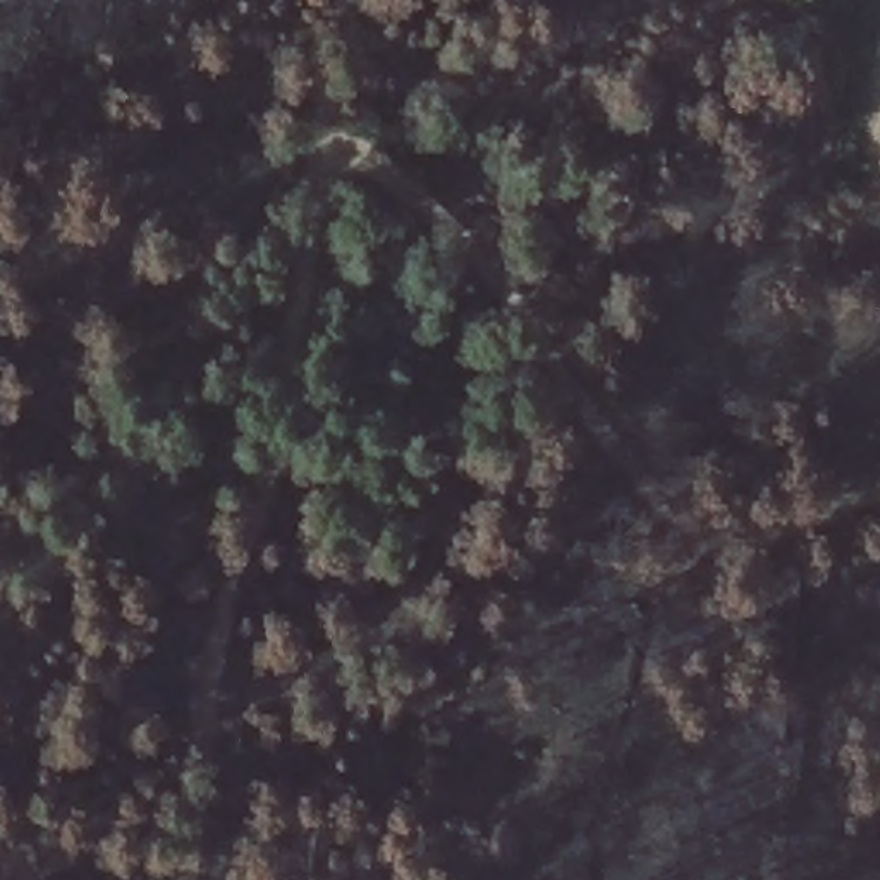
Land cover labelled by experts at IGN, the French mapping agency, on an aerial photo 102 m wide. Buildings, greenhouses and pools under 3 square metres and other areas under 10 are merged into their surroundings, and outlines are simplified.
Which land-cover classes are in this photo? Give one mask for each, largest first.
<instances>
[{"label":"coniferous trees","instance_id":"1","mask_svg":"<svg viewBox=\"0 0 880 880\"><path fill-rule=\"evenodd\" d=\"M591 0H76L72 7L79 10V38L62 48V72L38 86L17 89V110L24 113V120L0 141V880H144L148 853H182L199 859L230 856L234 863L227 880H502L516 856L519 825L526 815L512 804H426L399 773L385 770L382 743L388 736L395 712H416L419 701L437 691V684L464 688L471 698L512 705L505 674L523 677L519 663L533 639V619L550 598L567 595L574 584H591L595 578H619L633 588L660 591L674 605L677 619L688 622L694 633L691 643L667 650L660 657V667L643 670L650 691L657 694L650 736L663 749L677 753V780L688 787L715 784L718 753L732 746L743 725L763 729L780 722L784 715H804L818 722L825 732L828 777L849 801L846 835L853 842H870L873 849L870 873L863 880H880V698L866 691V681L859 674H849V684L839 688L835 698L811 691L791 670L787 619L780 615L773 595L784 567L828 571L825 536L815 523H825L839 512L832 495L842 488L835 468L839 433L849 423L846 409L828 388H818L804 399H777L767 413L732 416L722 426H712L698 406L663 392L653 361L657 333L663 323V313L650 303L657 289L633 265H626L633 217L667 220L674 230L688 227L701 234L712 248L718 241H760L763 223L756 220V210L770 189L780 186L787 148L815 134L811 113H780L770 107V96H756L749 110L732 107V96L725 93L729 62L722 52L732 38L729 24L705 38L698 52L677 48L660 55L653 48L643 69H636L633 62H619L612 69H598V52L588 34ZM210 117L223 124L227 134L248 144L258 158L268 155L275 162V168L268 172V189L258 196L248 223L220 227L213 234L172 237L165 230H155V206L127 203L120 213H113L107 196H89L86 179L93 172H113L124 182V172L144 148L158 144L165 134H189L193 127H203Z\"/></svg>","mask_w":880,"mask_h":880},{"label":"bare soil","instance_id":"2","mask_svg":"<svg viewBox=\"0 0 880 880\"><path fill-rule=\"evenodd\" d=\"M76 0H0V141L24 120V113L17 110V89L38 86L62 72V48L79 38V10L72 7ZM729 24L732 38L722 52L729 62L725 93L732 96V107L749 110L756 96H770V107L780 113H811L815 134L787 148L780 186L770 189L756 210V220L763 223L760 241H718L712 248L701 234L688 227L674 230L667 220L633 217L626 265H633L657 289L650 303L663 313V323L657 333L653 361L663 392L698 406L712 426H722L732 416L767 413L777 399H804L818 388H828L846 409L849 423L839 433L835 468L842 488L832 495L839 512L825 523H815L825 536L828 571L784 567L773 595L780 615L787 619L791 670L811 691L835 698L839 688L849 684V674H859L866 681V691L880 698V0H591L588 34L598 52V69H612L619 62H633L636 69H643L653 48L660 55L677 48L698 52L705 38ZM275 168V162L268 155L258 158L248 144L227 134L223 124L210 117L203 127H193L189 134H165L158 144L144 148L124 172V182L113 172H93L86 179L89 196H107L113 213H120L127 203L155 206V230H165L172 237L213 234L220 227L248 223L258 196L268 189V172ZM694 633L688 622L677 619L674 605L660 591L633 588L619 578H595L591 584H574L567 595L550 598L533 619V639L519 663L523 677L505 674L512 705L471 698L464 688L437 684V691L419 701L416 712H395L388 736L382 743L385 770L399 773L426 804H512L526 815L519 825L516 856L502 880H863L870 873L873 849L870 842H853L846 835L849 801L828 777L825 732L818 722L804 715H784L780 722L763 729L743 725L732 746L718 753L715 784L688 787L677 780V753L663 749L650 736L657 694L650 691L643 670L660 667V657L667 650L691 643ZM234 863L230 856L199 859L182 853H148L144 880H227Z\"/></svg>","mask_w":880,"mask_h":880}]
</instances>
